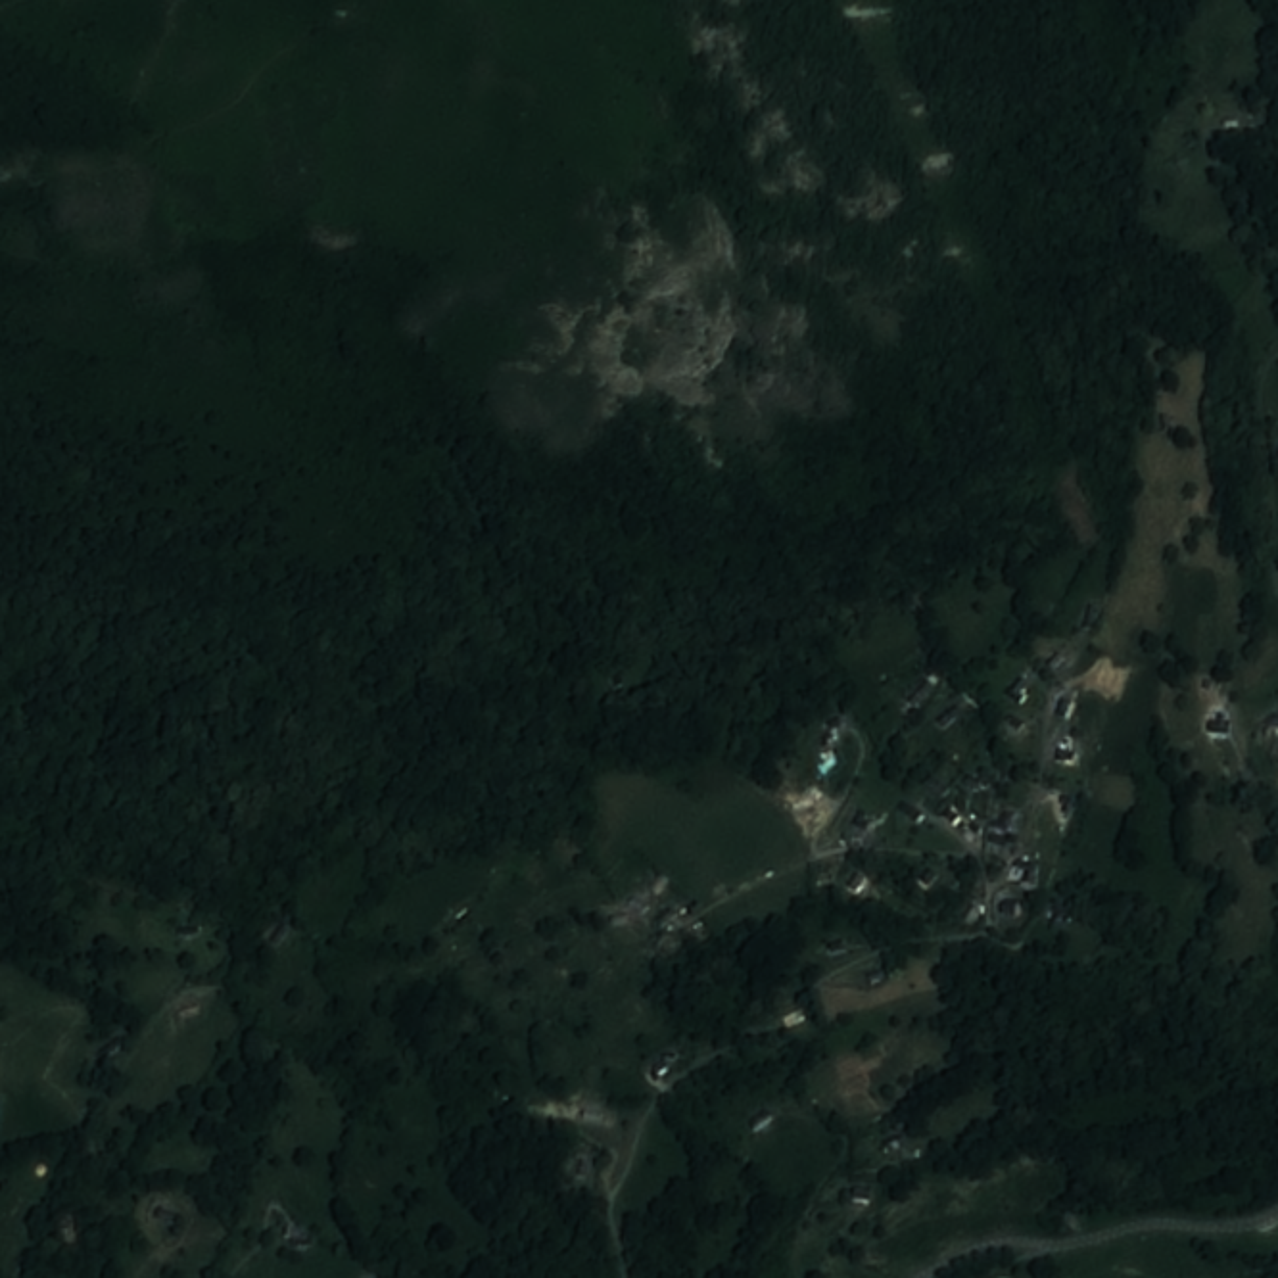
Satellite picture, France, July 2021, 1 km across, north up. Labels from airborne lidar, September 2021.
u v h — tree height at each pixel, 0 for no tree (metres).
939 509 21
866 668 0
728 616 21
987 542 21
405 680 25
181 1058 0
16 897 19
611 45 0
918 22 10
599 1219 24
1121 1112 0
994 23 13
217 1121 9
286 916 10
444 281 0
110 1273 14
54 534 17
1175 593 0
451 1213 0
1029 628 13
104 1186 18
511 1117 17
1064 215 9
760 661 25
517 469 22
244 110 0
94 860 9
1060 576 0
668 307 0
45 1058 0
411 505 9
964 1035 12
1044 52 13
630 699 16
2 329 7
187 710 21
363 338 9
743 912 0
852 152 14
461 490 23
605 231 0
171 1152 0
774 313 0
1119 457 14
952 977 22
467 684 24
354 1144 12
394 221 0
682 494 16
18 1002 0
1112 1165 22
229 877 25
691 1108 11
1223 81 0
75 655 22
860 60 17
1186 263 15
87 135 8
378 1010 13
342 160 0
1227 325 24
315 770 22
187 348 0
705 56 10
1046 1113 24
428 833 26
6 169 0
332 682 17
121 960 17
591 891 0
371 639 22
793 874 0
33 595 21
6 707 12
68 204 0
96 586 16
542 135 0
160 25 0
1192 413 0
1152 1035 18
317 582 12
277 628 22
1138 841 19
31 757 19
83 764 19
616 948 0
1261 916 0
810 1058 11
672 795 0
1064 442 10
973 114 14
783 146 15
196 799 10
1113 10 7
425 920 0
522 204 0
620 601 23
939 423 13
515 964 0
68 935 20
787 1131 0
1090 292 9
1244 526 20
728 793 0
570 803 15
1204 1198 9
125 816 23
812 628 20
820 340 13
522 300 0
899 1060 0
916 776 15
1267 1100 25
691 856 0
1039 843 0
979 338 8
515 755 21
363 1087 13
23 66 9
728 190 11
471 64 0
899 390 8
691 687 24
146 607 26
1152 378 22
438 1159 12
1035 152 22
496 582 20
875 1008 0
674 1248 8
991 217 9
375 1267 13
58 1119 0
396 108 0
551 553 20
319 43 0
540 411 0
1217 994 19
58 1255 17
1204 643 0
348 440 12
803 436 8
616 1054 0
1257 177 20
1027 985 26
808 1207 9
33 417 13
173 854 19
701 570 10
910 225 14
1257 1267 16
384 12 0
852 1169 9
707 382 7
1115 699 0
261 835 20
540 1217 19
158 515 7
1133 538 10
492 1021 16
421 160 0
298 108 0
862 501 10
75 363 7
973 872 13
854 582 19
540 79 0
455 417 7
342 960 7
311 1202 0
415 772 21
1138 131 9
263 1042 23
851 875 6
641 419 10
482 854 22
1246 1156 18
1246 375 27
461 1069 26
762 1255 25
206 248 9
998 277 10
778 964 25
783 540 15
